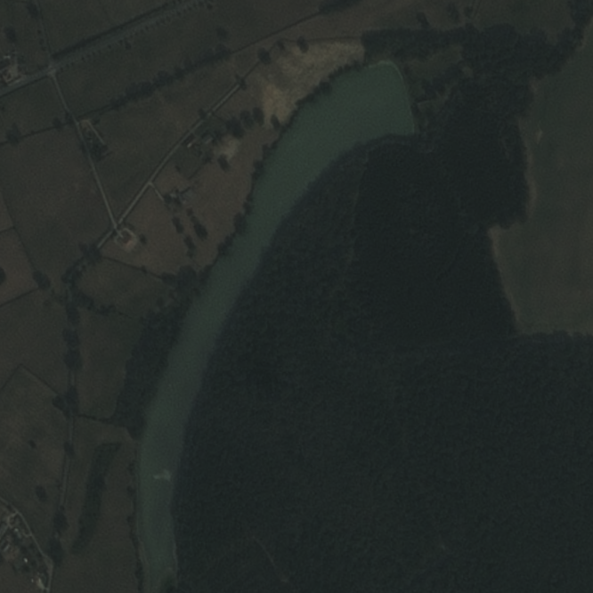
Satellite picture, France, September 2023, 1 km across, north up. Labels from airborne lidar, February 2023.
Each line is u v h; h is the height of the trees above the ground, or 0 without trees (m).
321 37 0
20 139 11
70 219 0
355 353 18
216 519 26
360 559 22
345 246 16
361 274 12
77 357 21
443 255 13
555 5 0
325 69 0
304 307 25
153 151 0
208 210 0
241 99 0
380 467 21
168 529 0
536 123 0
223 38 14
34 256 0
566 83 0
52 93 0
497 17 0
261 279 18
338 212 19
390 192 13
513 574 26
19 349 0
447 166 12
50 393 0
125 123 0
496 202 13
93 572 0
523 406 26
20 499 0
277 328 19
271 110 0
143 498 0
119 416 6
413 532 24
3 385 0
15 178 0
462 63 6
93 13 0
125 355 0
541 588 28
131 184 0
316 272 24
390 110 0
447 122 10
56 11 0
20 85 0
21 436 0
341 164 13
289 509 26
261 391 20
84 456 0
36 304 0
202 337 0
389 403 22
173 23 0
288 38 0
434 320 12
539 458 25
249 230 0
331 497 19
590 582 27
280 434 25
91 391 0
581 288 0
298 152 0
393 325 12
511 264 0
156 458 0
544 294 0
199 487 27
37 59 0
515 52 8
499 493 24
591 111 0
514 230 0
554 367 25
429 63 0
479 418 26
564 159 0
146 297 0
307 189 0
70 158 0
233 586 0
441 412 25
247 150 0
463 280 11
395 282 14
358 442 23
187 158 0
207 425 19
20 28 0
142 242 8
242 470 27
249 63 0
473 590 18
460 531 22
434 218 9
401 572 23
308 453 20
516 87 18
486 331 11
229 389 21
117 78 0
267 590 0
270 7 0
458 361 27
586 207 0
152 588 0
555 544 23
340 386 26
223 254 15
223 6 0
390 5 0
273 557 26
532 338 0
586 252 0
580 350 24
